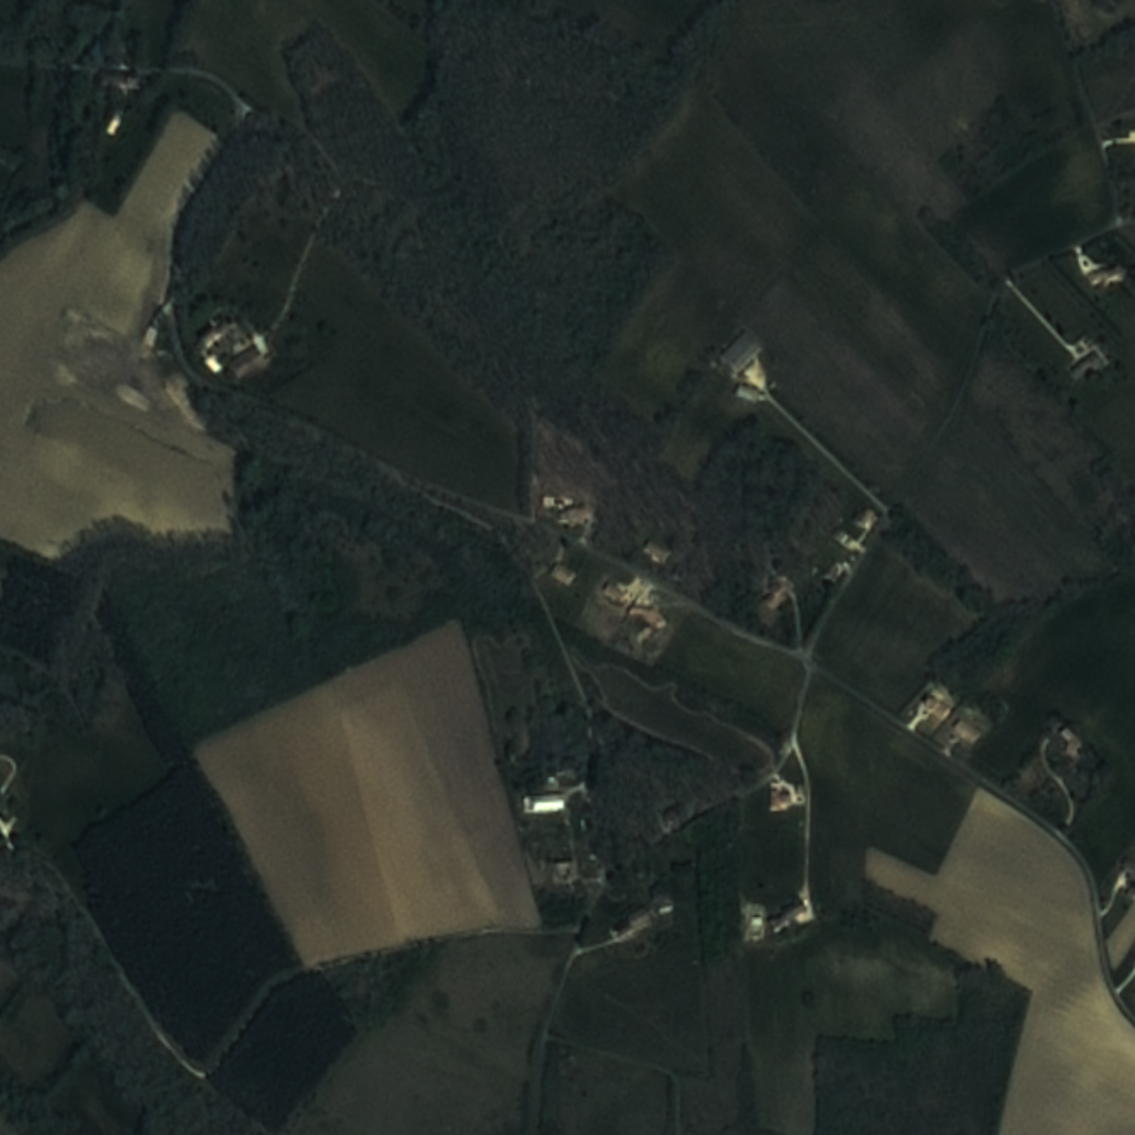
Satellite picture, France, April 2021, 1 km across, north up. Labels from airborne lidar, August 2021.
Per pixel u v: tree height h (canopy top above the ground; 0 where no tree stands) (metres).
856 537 0
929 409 0
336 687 0
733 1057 0
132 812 8
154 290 0
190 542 15
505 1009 0
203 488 0
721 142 0
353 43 0
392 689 0
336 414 0
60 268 0
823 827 0
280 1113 11
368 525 10
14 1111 12
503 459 0
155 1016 12
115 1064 15
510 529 9
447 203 16
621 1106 0
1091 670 0
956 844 0
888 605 0
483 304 15
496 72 20
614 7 0
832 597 14
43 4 25
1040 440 0
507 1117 0
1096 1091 0
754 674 0
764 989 0
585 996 0
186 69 12
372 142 14
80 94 29
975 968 6
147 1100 18
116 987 10
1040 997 0
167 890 8
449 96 23
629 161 18
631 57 19
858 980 0
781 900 0
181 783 8
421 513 13
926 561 12
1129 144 0
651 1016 0
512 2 9
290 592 7
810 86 0
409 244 12
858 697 0
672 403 0
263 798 0
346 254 9
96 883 8
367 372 0
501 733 0
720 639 0
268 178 15
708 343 0
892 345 0
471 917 0
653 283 11
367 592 0
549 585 0
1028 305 0
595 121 16
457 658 0
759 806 0
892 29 0
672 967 0
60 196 17
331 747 0
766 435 17
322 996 11
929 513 0
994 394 0
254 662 5
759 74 0
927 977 0
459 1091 0
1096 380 12
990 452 0
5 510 0
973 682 14
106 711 12
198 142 0
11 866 11
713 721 0
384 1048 0
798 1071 0
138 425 0
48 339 0
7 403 0
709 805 19
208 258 18
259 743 0
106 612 7
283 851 0
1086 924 0
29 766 0
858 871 0
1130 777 0
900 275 0
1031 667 0
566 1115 0
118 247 0
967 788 0
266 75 0
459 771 0
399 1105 0
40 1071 0
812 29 0
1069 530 0
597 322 12
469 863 0
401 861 0
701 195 0
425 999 0
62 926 14
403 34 0
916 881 0
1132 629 0
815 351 0
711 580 18
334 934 0
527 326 19
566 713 13
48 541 0
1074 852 0
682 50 17
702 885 6
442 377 0
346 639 6
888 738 0
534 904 0
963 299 0
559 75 20
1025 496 0
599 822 16
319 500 9
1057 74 0
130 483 0
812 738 0
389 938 0
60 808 0
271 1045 9
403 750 0
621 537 16
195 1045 10
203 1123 19
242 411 14
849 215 0
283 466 20
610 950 0
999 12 0
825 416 0
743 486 19
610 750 12
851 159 0
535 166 13
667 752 18
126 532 18
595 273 12
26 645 8
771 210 0
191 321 8
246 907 9
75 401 0
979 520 0
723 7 17
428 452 0
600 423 15
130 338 0
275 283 0
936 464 0
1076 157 0
